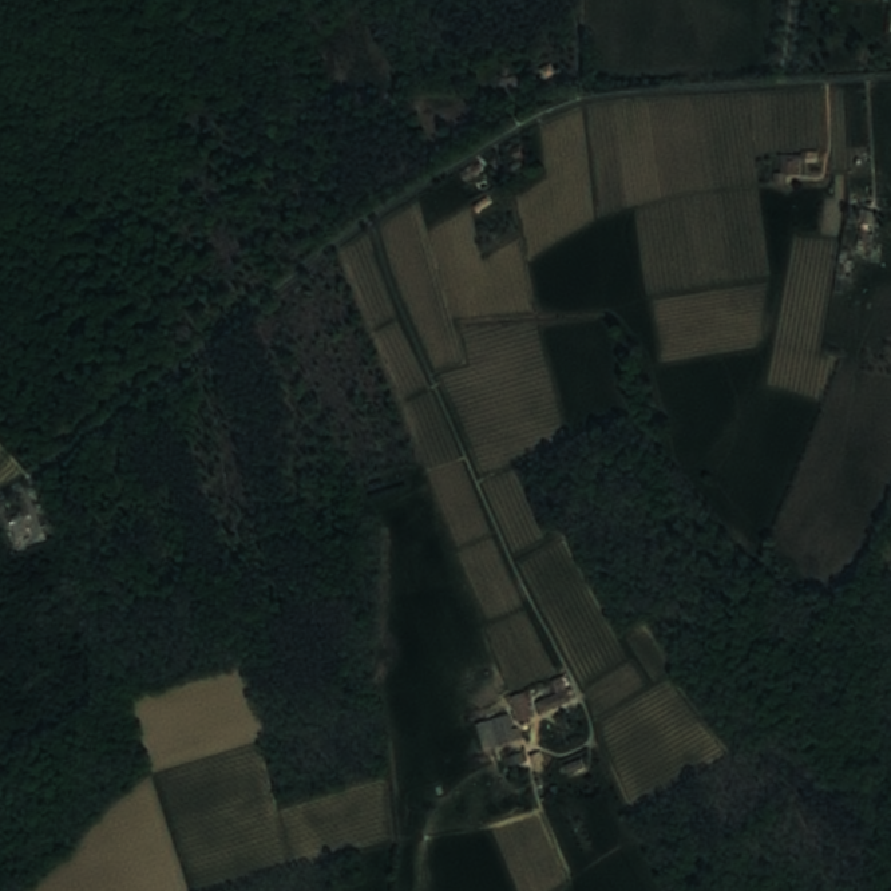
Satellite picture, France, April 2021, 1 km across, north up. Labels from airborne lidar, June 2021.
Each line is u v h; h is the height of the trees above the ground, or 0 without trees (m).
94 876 0
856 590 29
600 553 14
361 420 14
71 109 21
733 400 0
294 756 13
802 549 0
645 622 18
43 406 19
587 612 0
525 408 0
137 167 17
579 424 0
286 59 26
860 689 24
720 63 0
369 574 23
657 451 25
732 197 0
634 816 17
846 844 19
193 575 24
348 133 27
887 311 0
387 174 26
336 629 24
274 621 19
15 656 8
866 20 0
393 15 22
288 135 25
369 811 0
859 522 0
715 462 0
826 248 0
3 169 25
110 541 13
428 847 0
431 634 0
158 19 21
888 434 0
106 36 24
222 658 18
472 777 0
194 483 23
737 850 23
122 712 21
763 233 0
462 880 0
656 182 0
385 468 15
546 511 20
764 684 25
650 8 0
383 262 0
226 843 0
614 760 0
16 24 26
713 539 15
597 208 0
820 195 0
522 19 26
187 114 15
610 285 0
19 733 8
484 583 0
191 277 12
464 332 0
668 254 0
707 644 19
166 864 0
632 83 9
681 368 0
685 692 11
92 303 30
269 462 16
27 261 31
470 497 0
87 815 15
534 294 0
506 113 12
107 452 22
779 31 15
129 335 24
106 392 25
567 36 21
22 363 23
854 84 0
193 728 0
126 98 21
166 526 18
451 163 15
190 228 9
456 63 21
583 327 0
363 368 7
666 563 14
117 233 28
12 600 6
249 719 0
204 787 0
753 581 18
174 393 20
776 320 0
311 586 26
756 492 0
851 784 25
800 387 0
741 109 0
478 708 0
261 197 16
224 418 16
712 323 0
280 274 15
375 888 0
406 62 24
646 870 0
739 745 15
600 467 21
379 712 18
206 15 26
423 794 0
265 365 24
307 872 18
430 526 0
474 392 0
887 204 0
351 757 18
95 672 16
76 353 27
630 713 0
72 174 25
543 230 0
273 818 0
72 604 12
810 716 24
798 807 8
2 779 16
